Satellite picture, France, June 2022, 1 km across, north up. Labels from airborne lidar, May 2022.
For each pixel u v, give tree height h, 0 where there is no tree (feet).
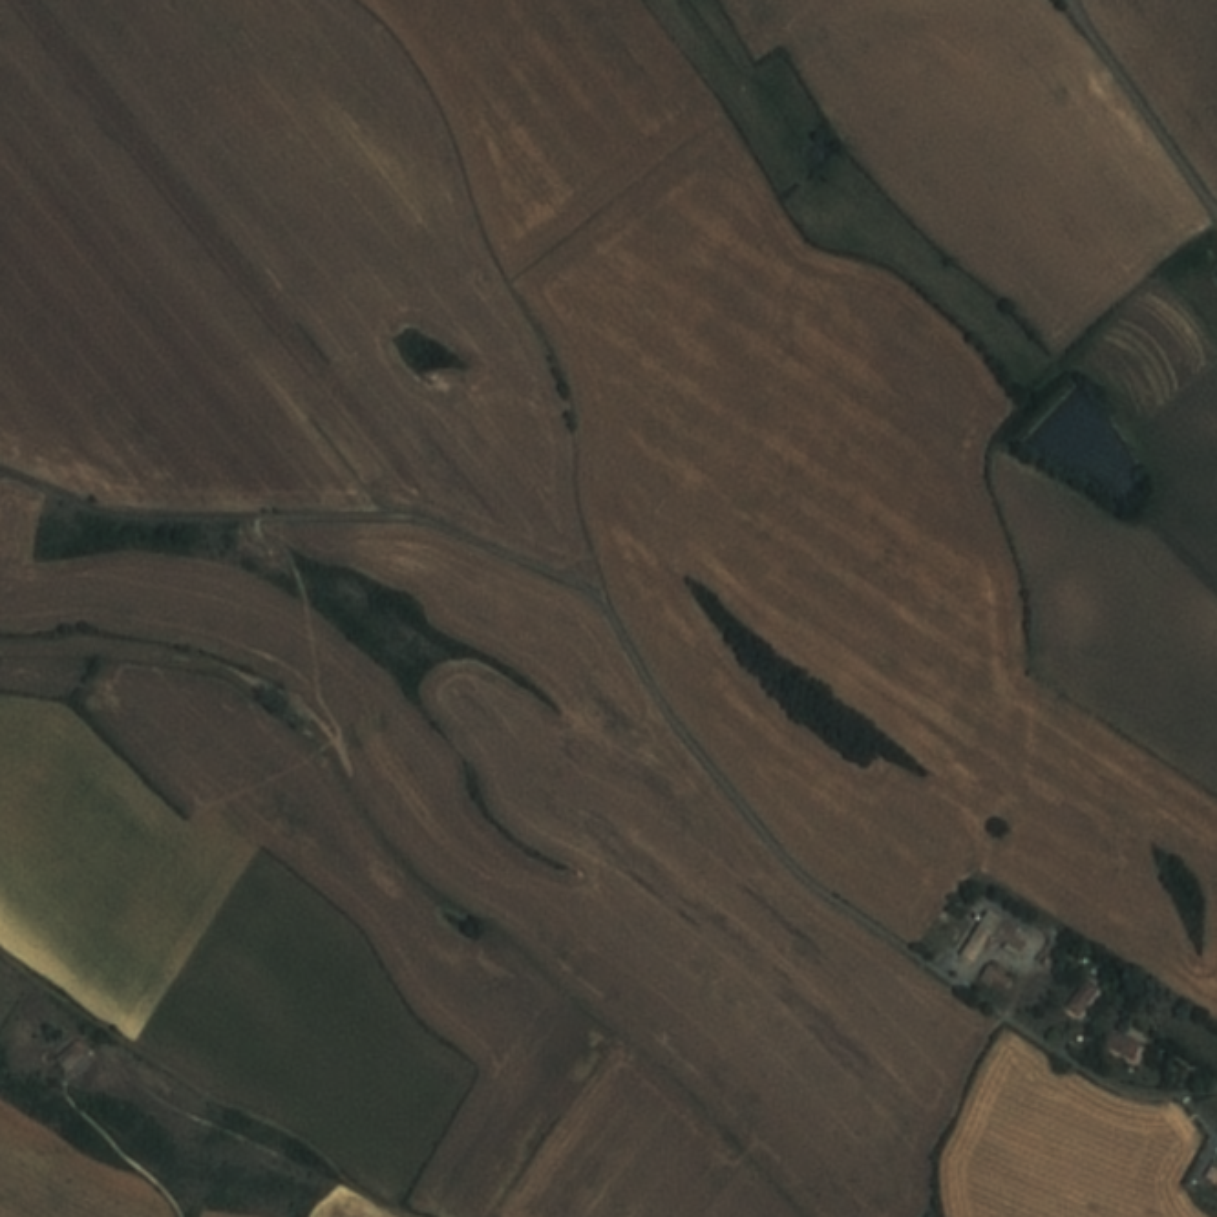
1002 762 0
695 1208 0
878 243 0
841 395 0
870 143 0
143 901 0
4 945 0
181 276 0
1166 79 0
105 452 0
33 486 0
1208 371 0
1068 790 0
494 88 0
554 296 0
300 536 0
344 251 0
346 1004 0
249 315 0
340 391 0
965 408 0
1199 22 0
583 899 0
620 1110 0
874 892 0
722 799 0
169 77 0
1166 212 0
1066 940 45
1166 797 0
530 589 0
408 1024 0
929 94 0
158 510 0
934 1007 0
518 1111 0
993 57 0
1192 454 0
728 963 0
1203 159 0
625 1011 0
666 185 0
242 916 0
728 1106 0
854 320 0
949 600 0
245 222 0
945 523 0
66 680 0
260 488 0
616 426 0
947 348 0
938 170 0
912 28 0
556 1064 0
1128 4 0
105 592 0
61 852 0
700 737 0
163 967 0
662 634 0
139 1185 0
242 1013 0
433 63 0
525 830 0
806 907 0
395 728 0
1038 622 0
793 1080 0
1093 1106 0
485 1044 0
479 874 0
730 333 0
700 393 0
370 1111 0
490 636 0
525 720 0
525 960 0
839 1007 0
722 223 0
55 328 0
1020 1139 0
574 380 0
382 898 0
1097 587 0
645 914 0
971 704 0
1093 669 0
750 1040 0
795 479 0
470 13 0
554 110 0
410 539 0
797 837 0
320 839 0
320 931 0
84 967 0
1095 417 0
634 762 0
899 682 0
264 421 0
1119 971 33
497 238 0
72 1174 0
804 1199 0
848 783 0
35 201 0
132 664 0
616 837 0
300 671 0
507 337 0
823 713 44
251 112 0
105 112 0
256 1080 0
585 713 0
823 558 0
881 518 0
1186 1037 0
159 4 0
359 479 0
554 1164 0
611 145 0
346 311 0
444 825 0
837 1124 0
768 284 0
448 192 0
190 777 0
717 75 0
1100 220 0
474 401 0
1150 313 0
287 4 0
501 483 0
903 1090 0
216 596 0
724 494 0
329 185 0
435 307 0
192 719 0
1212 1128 0
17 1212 0
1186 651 0
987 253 0
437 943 0
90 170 0
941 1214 22
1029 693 0
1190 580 0
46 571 0
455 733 0
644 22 0
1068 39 0
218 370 0
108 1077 0
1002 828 55
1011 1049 0
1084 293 0
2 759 0
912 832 0
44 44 0
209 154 0
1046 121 0
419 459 0
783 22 0
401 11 0
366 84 0
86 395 0
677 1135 0
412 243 0
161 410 0
